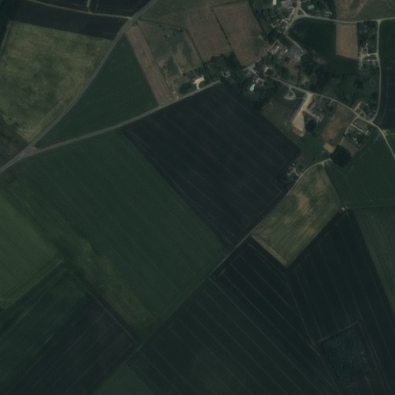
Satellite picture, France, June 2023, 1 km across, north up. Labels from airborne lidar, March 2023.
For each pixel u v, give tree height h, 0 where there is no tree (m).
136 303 0
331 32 0
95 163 0
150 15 0
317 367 0
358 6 0
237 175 0
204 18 0
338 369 19
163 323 0
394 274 0
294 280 0
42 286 0
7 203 0
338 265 0
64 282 0
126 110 0
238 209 0
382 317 0
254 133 0
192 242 0
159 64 0
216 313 0
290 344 0
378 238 0
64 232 0
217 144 0
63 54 0
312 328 0
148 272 0
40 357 0
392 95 0
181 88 0
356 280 0
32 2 0
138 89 0
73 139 0
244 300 0
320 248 0
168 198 0
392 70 0
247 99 8
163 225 0
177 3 0
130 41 0
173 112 0
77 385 0
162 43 0
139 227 0
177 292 0
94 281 0
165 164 0
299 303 0
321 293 0
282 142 0
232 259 0
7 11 20
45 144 0
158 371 0
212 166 0
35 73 0
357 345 20
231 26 0
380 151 0
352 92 0
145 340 0
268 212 0
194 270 0
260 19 14
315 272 0
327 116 13
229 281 0
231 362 0
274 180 0
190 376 0
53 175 0
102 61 0
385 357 0
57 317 0
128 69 0
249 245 0
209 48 0
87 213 0
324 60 0
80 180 0
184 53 0
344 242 0
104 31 0
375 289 0
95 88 0
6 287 0
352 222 0
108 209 0
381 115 0
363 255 0
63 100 0
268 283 0
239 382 0
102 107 0
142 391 0
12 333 0
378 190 0
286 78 11
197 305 0
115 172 0
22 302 0
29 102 0
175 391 0
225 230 0
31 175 0
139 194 0
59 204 0
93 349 0
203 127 0
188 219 0
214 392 0
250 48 0
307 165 0
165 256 0
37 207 0
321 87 8
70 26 0
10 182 0
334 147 0
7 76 0
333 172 0
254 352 0
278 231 0
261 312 0
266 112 0
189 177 0
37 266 0
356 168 0
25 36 0
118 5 0
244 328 0
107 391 0
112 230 0
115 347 0
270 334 0
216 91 0
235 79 11
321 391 0
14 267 0
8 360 0
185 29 0
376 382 0
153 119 0
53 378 0
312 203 0
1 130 0
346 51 0
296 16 0
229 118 0
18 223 0
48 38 0
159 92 0
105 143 0
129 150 0
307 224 0
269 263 0
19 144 0
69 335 0
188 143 0
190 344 0
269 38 8
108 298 0
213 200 0
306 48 0
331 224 0
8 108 0
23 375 0
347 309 0
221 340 0
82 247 0
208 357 0
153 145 0
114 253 0
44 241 0
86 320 0
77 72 0
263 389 0
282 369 0
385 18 0
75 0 0
